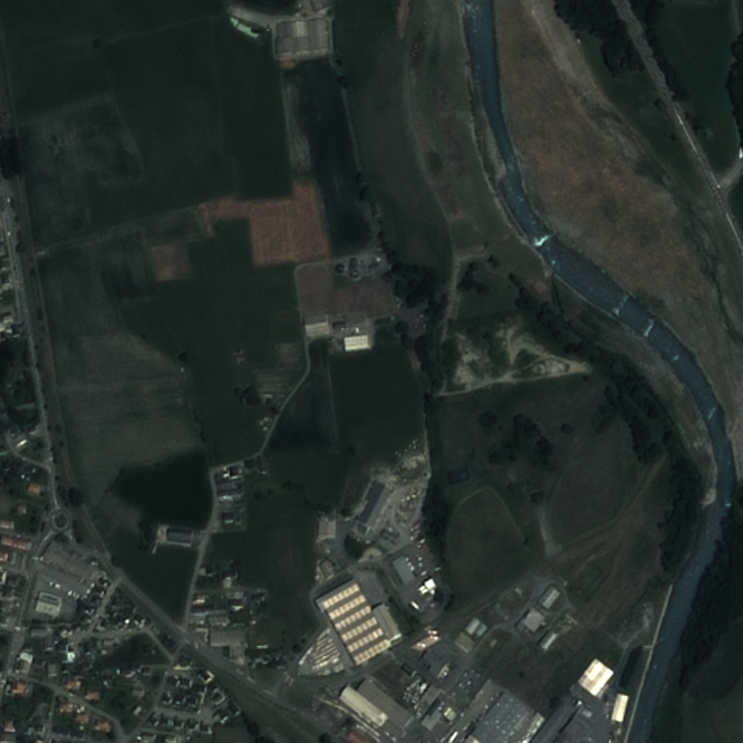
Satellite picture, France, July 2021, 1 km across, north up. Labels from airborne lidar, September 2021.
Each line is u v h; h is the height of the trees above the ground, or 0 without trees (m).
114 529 0
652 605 0
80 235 0
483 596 0
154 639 0
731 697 0
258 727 13
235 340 0
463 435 0
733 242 0
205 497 0
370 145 0
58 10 0
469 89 7
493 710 0
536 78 0
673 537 10
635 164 0
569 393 0
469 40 0
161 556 0
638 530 0
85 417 0
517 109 0
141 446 0
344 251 0
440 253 0
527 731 0
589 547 0
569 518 0
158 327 0
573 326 13
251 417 0
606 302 0
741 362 0
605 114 0
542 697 0
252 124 0
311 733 0
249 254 0
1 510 0
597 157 0
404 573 0
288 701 0
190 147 0
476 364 0
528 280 0
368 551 0
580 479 0
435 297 18
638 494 0
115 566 9
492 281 0
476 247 0
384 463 0
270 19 0
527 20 0
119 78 0
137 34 0
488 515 0
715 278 0
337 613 0
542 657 0
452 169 0
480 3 0
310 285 0
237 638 0
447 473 0
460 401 0
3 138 11
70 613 0
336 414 0
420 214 0
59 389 0
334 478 0
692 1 0
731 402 0
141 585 0
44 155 0
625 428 0
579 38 14
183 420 0
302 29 0
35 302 0
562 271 0
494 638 0
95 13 0
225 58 0
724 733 0
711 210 0
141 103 0
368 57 0
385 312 0
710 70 0
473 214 0
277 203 0
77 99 0
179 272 0
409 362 0
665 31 0
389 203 0
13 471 9
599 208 0
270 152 0
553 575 0
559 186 0
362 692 0
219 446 0
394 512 0
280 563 0
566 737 0
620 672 0
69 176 0
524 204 0
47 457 0
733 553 21
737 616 19
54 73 0
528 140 0
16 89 0
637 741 0
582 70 0
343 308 0
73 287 0
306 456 0
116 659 0
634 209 0
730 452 0
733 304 0
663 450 17
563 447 0
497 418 11
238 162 0
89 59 0
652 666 0
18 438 0
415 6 0
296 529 0
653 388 11
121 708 0
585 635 0
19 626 0
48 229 0
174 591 0
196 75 0
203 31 0
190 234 0
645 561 0
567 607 0
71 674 7
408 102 0
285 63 0
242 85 0
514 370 0
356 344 0
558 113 0
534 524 0
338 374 0
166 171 0
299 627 0
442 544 9
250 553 0
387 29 0
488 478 0
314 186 0
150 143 0
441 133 0
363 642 0
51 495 0
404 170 0
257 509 0
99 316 0
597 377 0
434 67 0
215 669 0
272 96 0
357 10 0
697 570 0
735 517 26
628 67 10
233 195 0
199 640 0
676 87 20
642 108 0
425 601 0
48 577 0
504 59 0
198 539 0
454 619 0
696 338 0
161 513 0
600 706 0
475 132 6
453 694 0
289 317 0
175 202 0
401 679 0
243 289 0
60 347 0
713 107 0
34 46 0
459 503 0
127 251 0
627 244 0
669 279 0
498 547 0
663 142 0
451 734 0
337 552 0
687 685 13
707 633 9
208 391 0
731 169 0
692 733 0
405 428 0
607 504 0
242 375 0
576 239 0
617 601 0
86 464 0
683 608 0
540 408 0
